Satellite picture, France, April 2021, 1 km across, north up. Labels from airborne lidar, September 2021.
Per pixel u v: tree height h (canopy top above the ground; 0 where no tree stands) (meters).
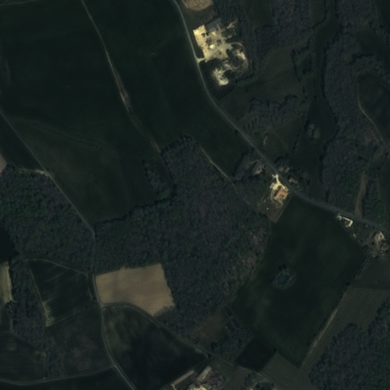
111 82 0
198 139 0
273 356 0
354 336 18
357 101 6
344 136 13
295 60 24
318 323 0
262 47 16
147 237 18
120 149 0
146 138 0
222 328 0
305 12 18
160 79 0
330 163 20
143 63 0
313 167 0
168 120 0
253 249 24
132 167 0
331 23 0
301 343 0
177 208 22
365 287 0
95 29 0
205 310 21
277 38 18
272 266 0
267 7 0
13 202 23
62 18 0
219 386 0
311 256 0
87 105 0
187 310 14
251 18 0
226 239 25
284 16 12
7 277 0
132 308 0
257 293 0
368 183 0
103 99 0
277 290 0
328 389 22
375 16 21
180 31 0
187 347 0
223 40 0
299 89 0
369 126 17
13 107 0
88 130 0
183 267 24
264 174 9
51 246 21
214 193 21
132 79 0
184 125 0
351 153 23
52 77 0
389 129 0
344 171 22
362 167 23
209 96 0
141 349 0
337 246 0
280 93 0
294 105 19
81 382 0
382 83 0
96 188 0
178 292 14
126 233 17
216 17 6
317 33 12
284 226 0
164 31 0
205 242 23
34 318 20
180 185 25
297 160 0
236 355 17
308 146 0
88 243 20
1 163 0
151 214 16
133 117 0
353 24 17
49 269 0
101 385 0
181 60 0
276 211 0
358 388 26
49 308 0
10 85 0
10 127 0
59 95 0
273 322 0
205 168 19
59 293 0
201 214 21
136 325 0
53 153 0
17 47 0
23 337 7
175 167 18
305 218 0
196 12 0
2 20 0
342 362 21
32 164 0
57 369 19
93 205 0
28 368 0
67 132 0
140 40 0
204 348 0
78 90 0
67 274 0
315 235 0
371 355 18
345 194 21
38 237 24
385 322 23
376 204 20
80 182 0
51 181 13
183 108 0
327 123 0
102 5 0
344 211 18
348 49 20
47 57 0
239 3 20
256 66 18
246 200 25
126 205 0
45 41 0
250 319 0
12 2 0
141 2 0
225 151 0
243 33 18
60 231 20
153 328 0
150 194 0
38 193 19
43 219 21
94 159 0
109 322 0
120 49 0
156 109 0
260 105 17
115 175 0
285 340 0
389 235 0
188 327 21
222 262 23
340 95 13
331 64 23
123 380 0
